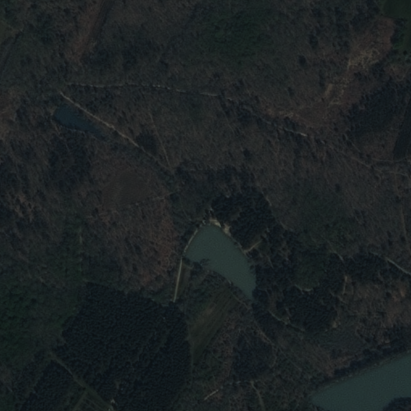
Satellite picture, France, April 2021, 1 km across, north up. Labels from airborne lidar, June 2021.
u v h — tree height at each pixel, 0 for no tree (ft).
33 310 74
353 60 19
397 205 52
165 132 49
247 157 61
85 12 45
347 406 0
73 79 60
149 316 69
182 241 44
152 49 79
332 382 35
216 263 0
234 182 49
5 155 48
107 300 66
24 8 43
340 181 38
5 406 51
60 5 44
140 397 71
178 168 19
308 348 59
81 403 0
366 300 48
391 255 35
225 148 42
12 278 86
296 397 32
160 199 56
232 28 69
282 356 30
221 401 25
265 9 57
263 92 46
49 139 48
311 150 56
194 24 62
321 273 61
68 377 70
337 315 66
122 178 0
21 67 60
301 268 50
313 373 34
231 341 35
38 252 42
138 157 57
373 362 73
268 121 43
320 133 40
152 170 50
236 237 62
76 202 45
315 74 58
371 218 43
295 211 41
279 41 60
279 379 41
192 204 46
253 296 27
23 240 48
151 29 41
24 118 88
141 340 67
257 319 67
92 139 20
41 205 33
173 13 51
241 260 0
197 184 54
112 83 45
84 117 77
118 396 54
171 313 72
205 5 43
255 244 0
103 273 54
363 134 50
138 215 36
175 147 39
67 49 31
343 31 78
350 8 59
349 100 37
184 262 30
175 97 40
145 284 40
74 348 62
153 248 32
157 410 65
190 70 43
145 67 49
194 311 67
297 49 47
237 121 42
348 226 52
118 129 28
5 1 59
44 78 43
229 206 63
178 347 69
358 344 17
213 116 37
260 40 73
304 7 50
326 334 54
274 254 68
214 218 59
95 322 66
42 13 31
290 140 28
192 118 38
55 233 52
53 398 57
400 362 0
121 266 51
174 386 67
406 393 0
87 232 49
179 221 52
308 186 52
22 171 77
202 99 58
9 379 33
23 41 62
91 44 0
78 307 69
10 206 59
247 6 60
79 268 53
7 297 83
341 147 28
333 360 34
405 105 52
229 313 31
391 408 41
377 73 49
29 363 39
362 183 46
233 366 25
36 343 41
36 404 73
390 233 40
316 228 54
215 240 0
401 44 73
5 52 46
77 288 42
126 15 42
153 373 72
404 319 57
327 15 63
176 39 48
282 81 45
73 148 95
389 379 0
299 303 69
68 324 55
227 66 50
